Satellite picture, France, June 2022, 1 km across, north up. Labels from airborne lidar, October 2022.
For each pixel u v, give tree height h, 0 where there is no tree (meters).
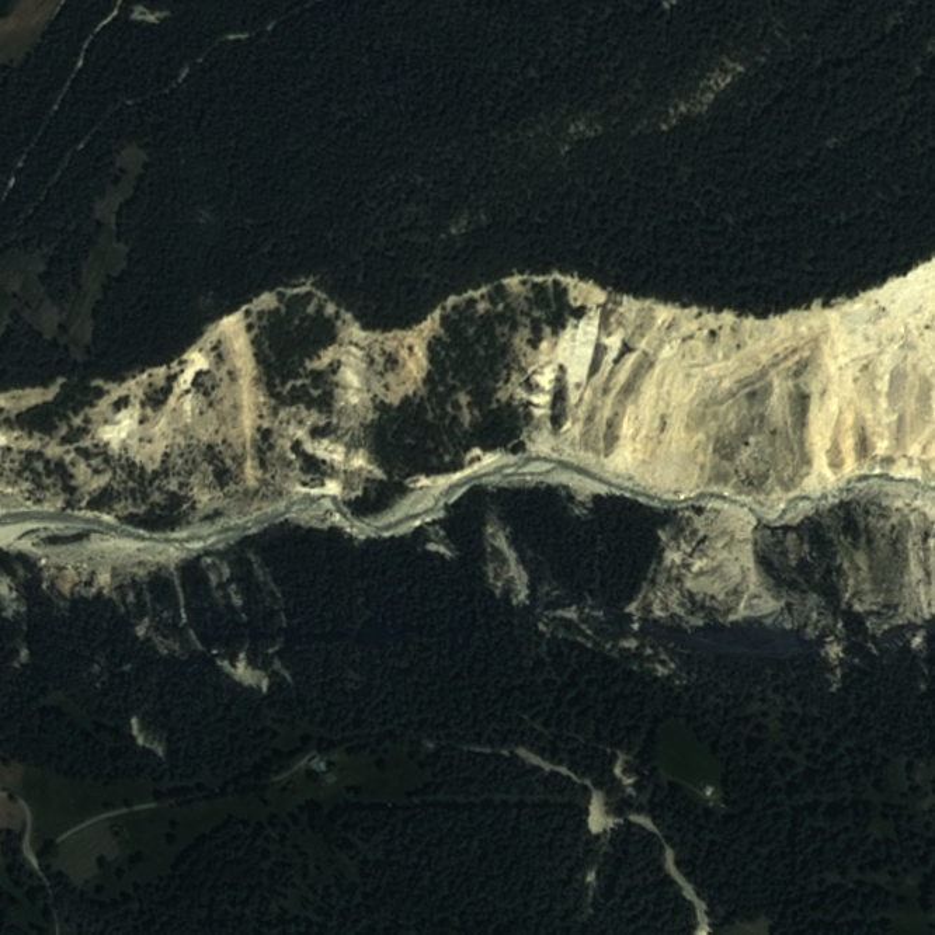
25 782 0
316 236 12
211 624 11
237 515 0
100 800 0
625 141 12
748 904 28
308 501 0
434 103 9
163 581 6
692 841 31
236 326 0
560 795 12
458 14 10
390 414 6
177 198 11
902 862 17
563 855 21
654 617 0
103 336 15
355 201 10
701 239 15
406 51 12
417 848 26
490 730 28
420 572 14
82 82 10
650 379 0
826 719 14
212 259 8
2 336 0
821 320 0
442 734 24
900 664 14
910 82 17
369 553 12
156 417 0
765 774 14
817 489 0
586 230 18
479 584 18
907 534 0
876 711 22
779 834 25
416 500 0
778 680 15
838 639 13
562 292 8
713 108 8
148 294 15
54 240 13
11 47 0
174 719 20
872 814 31
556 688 20
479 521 7
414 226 11
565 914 9
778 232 14
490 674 29
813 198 13
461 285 11
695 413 0
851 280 11
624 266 16
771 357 0
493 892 28
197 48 12
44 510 0
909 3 11
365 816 17
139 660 21
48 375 12
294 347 11
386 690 19
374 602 15
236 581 6
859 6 14
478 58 8
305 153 11
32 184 8
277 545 8
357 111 12
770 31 15
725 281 18
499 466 0
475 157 12
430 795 12
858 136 14
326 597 19
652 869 16
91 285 0
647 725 19
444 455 11
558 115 8
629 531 13
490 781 21
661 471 0
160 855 0
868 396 0
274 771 20
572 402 0
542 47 10
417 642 15
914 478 0
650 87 12
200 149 8
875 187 12
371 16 11
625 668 6
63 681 13
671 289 10
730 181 13
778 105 19
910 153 13
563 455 0
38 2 0
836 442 0
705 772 0
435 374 8
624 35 9
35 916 0
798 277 13
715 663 12
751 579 0
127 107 12
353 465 0
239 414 0
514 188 8
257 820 0
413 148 9
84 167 8
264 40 11
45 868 7
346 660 11
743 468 0
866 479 0
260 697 15
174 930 21
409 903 22
